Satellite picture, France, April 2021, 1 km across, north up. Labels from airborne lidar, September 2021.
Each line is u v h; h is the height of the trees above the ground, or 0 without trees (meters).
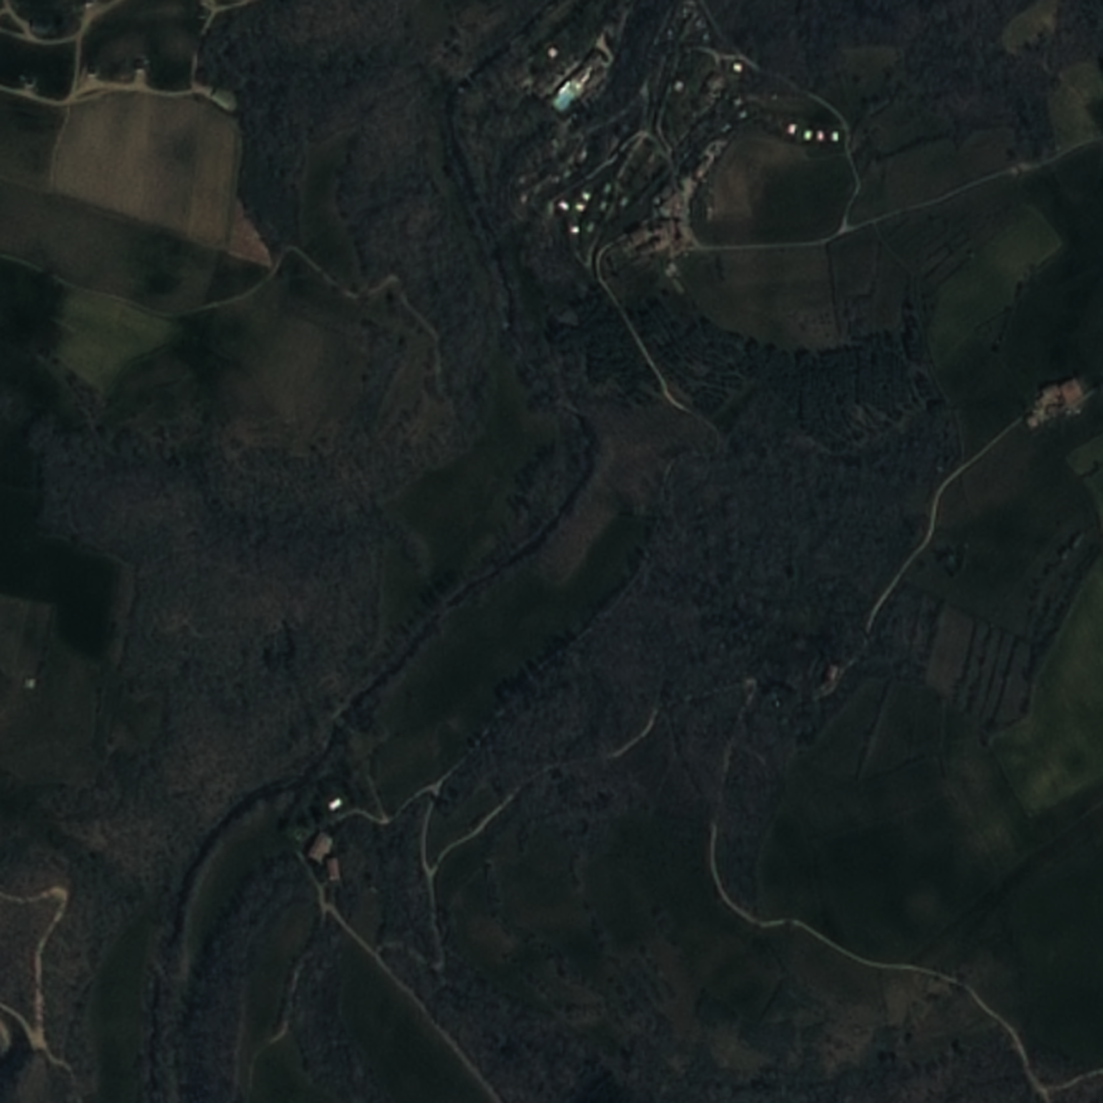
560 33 15
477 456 0
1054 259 0
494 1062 10
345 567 12
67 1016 10
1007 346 0
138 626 10
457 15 7
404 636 17
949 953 0
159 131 0
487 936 0
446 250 11
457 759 8
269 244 8
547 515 14
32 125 0
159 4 0
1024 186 0
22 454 0
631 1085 11
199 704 10
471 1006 19
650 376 9
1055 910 0
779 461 17
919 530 12
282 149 12
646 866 0
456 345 11
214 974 17
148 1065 16
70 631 0
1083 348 0
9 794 0
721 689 16
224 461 10
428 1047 0
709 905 0
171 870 14
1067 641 0
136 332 0
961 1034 0
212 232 0
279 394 0
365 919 0
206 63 8
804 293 0
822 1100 17
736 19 7
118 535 6
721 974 0
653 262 0
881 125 0
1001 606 0
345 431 9
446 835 0
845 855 0
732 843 7
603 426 19
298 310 0
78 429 8
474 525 0
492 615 0
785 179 0
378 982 0
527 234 12
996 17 7
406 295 8
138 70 0
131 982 0
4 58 0
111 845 10
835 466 14
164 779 15
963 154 0
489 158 17
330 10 11
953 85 10
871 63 0
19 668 0
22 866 8
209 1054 11
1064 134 0
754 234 0
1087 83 0
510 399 0
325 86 20
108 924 16
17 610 0
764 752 15
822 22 14
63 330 0
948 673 0
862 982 0
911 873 0
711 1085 7
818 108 0
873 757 0
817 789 0
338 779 9
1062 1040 0
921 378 9
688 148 10
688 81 11
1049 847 0
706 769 16
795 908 0
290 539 22
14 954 7
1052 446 0
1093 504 0
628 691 10
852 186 0
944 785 0
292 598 15
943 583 0
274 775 14
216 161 0
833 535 11
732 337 11
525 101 14
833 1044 6
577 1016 15
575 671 22
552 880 0
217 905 0
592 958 0
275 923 0
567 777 7
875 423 10
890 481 14
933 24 17
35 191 0
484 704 0
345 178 13
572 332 13
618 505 15
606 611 11
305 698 12
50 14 0
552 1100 16
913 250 0
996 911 0
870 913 0
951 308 0
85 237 0
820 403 11
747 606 18
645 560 14
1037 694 0
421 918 23
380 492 6
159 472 14
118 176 0
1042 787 0
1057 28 7
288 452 8
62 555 0
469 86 13
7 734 0
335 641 14
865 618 11
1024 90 7
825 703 7
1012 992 0
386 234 9
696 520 8
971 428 0
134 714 0
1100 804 0
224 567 13
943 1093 10
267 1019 0
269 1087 0
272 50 25
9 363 0
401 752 0
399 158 9
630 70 16
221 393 0
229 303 0
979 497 0
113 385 0
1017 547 0
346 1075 16
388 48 11
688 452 14
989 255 0
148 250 0
